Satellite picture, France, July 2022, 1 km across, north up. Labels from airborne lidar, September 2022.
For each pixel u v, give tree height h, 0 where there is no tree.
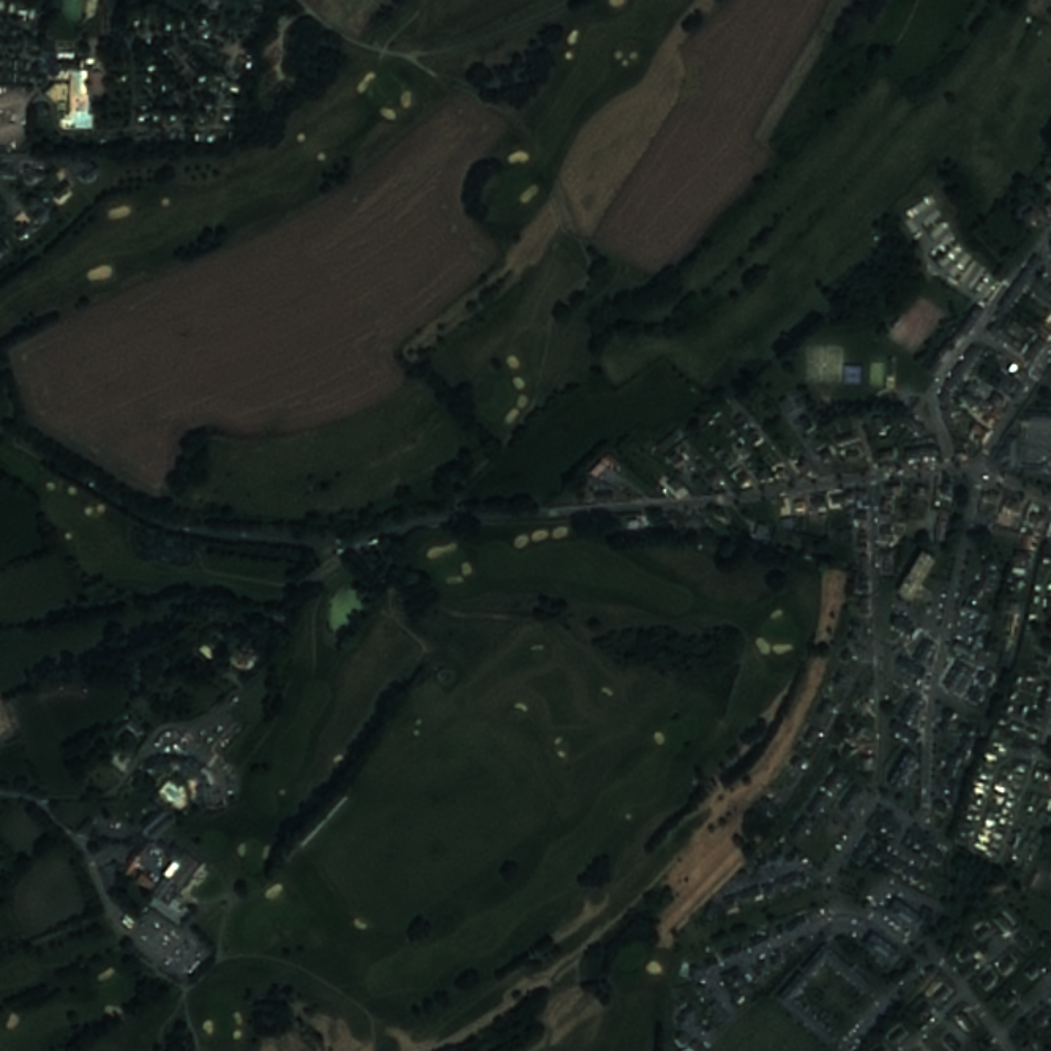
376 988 0
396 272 0
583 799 0
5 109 0
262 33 10
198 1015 0
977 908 7
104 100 10
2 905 12
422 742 0
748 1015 0
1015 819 0
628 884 0
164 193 0
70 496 0
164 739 0
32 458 0
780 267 0
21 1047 0
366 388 0
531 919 0
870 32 0
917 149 0
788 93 0
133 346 0
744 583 0
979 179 0
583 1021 0
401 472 0
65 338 0
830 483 0
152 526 9
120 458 0
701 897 0
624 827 0
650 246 0
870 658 0
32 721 0
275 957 0
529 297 0
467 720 0
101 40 9
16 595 0
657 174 0
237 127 11
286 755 0
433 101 0
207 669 13
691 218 0
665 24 0
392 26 0
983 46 0
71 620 11
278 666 10
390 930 0
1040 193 12
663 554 0
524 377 0
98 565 0
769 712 0
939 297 0
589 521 21
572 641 0
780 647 0
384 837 0
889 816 8
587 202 0
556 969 0
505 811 0
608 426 0
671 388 0
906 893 0
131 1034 0
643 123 0
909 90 6
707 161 0
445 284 0
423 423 0
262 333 0
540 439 0
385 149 0
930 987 0
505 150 0
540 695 0
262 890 0
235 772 0
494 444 15
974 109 0
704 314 0
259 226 0
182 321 0
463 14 0
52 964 0
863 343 0
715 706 0
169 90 8
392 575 11
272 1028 11
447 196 0
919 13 0
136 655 13
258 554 10
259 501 0
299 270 0
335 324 0
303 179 0
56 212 10
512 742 0
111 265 0
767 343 0
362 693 0
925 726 0
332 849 0
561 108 0
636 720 0
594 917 0
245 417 0
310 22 6
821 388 0
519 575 0
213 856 0
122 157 10
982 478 0
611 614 0
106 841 9
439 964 0
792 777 0
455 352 0
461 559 0
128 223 0
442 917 0
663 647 8
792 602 0
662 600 0
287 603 9
